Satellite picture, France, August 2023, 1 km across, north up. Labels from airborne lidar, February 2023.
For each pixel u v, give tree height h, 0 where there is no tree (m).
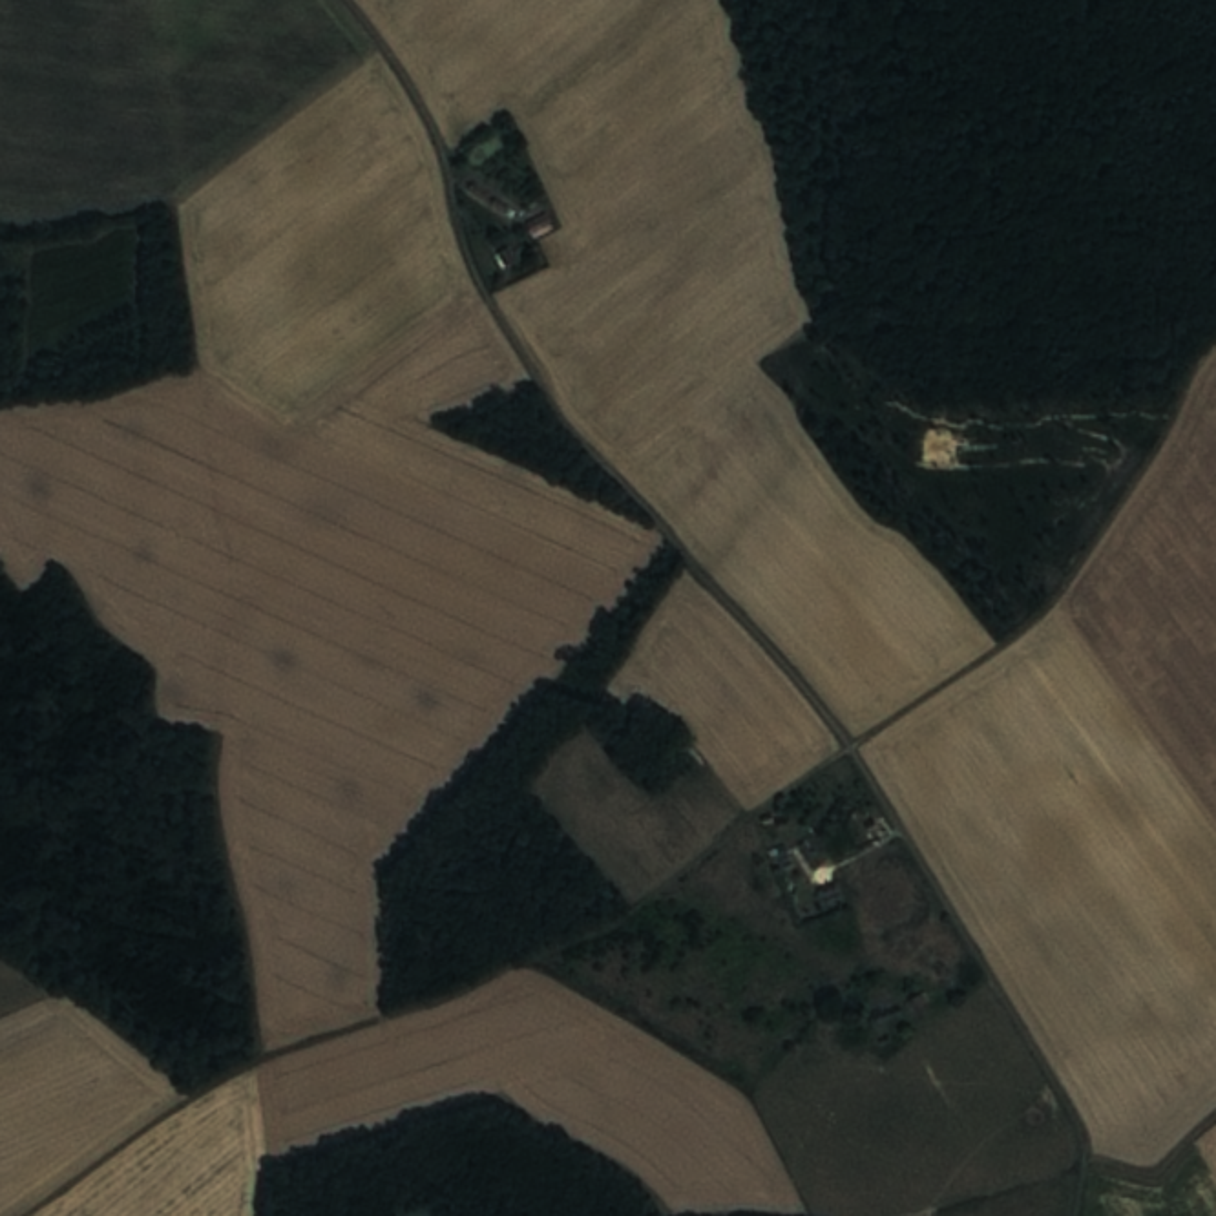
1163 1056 0
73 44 0
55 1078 0
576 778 0
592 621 0
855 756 0
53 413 0
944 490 0
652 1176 0
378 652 0
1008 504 0
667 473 0
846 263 23
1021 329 22
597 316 0
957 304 25
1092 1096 0
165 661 0
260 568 0
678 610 0
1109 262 20
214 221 0
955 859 0
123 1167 0
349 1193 21
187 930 17
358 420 0
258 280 0
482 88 0
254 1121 0
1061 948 0
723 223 0
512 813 22
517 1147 23
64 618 11
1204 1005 0
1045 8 29
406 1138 22
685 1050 0
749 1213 0
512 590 0
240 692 0
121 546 0
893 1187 0
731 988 0
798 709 0
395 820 0
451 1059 0
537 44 0
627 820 0
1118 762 0
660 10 0
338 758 0
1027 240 20
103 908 16
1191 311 19
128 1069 0
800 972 0
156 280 18
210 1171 0
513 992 0
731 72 0
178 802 16
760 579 0
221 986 20
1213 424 0
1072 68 26
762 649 0
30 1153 0
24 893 22
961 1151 0
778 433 0
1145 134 23
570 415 0
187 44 0
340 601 0
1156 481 0
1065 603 0
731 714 0
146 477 0
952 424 0
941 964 0
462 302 0
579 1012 0
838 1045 0
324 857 0
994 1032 0
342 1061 0
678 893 0
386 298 0
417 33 0
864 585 0
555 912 22
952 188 19
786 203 17
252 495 0
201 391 0
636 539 0
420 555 0
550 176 0
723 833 0
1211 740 0
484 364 0
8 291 16
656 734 17
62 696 12
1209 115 22
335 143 0
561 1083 0
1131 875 0
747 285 0
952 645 0
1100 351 21
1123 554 0
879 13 31
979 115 16
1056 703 0
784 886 6
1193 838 0
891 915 0
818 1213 0
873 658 0
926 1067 0
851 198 21
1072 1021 0
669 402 0
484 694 0
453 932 20
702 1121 0
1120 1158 0
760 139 0
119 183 0
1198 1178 0
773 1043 0
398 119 0
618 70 0
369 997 0
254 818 0
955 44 26
